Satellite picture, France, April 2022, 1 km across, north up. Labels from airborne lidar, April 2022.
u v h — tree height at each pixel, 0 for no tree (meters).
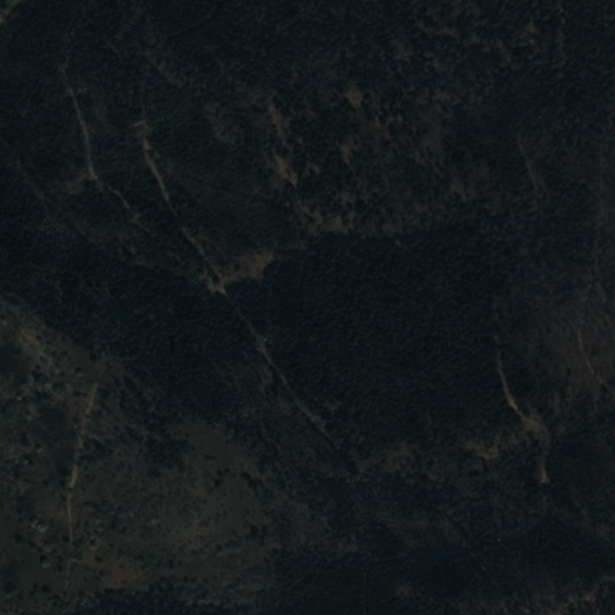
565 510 17
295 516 17
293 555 16
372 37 14
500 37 19
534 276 15
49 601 13
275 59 23
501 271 20
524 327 19
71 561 12
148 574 10
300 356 29
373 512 30
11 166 21
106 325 24
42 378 7
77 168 12
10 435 9
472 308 23
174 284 23
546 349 19
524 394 21
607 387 10
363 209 16
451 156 22
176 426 12
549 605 12
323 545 16
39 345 10
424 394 28
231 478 9
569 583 23
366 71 16
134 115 19
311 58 25
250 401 7
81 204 19
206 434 0
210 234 22
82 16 16
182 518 9
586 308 8
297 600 18
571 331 24
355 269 22
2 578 0
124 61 16
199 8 21
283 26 33
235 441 10
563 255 18
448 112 19
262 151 13
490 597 20
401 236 22
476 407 20
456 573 14
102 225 24
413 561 17
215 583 13
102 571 0
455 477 24
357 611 19
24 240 27
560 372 15
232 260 22
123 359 12
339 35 21
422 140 14
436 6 32
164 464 14
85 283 9
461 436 18
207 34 19
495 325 7
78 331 22
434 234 9
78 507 0
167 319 32
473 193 15
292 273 21
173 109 16
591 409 19
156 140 15
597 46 22
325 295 21
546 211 15
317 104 17
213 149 14
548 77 18
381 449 23
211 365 28
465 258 23
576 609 17
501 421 19
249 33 27
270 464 17
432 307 24
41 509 0
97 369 0
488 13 23
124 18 18
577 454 18
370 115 19
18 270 17
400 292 26
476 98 25
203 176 17
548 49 19
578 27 22
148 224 34
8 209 25
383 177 17
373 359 23
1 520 0
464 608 11
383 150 14
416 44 16
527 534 17
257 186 15
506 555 24
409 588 17
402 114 9
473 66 19
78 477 0
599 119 13
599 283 7
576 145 22
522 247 27
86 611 12
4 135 17
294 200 12
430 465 24
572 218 17
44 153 22
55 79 23
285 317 24
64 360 7
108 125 18
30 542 0
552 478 15
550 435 15
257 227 18
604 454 15
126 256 6
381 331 25
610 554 21
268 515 14
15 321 0
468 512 22
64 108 22
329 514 12
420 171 17
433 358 16
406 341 26
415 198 14
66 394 9
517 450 10
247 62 25
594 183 25
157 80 16
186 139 21
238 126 14
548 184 20
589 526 18
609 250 23
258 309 21
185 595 15
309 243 15
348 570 20
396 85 14
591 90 23
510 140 20
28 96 24
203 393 26
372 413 23
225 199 18
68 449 0
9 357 0
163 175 17
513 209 22
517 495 10
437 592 14
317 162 12
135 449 9
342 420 19
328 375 21
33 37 23
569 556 21
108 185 13
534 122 17
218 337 28
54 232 27
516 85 17
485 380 23
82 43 20
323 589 17
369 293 26
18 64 26
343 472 29
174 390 23
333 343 21
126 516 12
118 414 0
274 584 17
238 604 8
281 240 18
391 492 26
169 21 25
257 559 0
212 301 18
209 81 11
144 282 25
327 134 20
